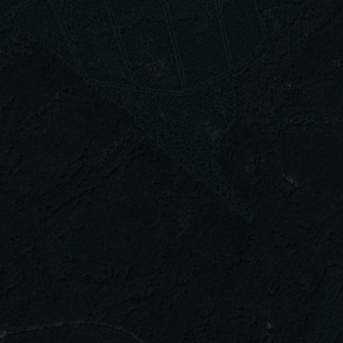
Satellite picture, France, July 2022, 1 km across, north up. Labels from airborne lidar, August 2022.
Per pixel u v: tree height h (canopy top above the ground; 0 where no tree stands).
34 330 12
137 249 26
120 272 22
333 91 22
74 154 26
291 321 27
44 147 26
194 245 20
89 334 15
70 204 22
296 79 14
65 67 18
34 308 24
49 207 26
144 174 25
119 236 26
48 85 24
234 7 28
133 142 20
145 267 25
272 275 22
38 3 30
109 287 27
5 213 25
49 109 25
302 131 24
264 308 25
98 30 27
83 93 26
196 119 20
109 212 24
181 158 32
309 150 24
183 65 28
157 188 22
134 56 29
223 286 27
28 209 24
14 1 30
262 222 23
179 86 27
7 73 24
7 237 22
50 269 27
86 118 28
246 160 22
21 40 11
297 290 13
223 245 26
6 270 18
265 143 22
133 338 13
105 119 23
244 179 23
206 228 21
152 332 28
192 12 23
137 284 30
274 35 15
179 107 28
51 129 27
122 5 29
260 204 20
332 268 28
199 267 26
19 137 25
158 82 25
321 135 25
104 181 24
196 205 20
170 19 28
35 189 23
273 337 23
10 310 21
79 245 25
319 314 22
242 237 26
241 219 25
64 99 25
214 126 25
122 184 25
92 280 23
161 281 24
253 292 24
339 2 21
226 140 26
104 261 21
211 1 25
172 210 18
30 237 23
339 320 10
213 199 20
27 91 25
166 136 31
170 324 30
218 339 28
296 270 20
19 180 24
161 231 19
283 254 25
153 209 23
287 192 11
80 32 25
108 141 22
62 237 22
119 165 17
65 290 25
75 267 24
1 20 30
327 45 22
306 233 25
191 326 28
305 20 19
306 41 15
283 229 20
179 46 23
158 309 24
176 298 24
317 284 19
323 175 23
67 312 22
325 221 27
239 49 28
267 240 28
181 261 23
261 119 23
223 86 26
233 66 25
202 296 28
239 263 26
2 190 25
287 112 24
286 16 24
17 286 22
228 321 27
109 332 13
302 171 27
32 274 24
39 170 25
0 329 17
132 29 27
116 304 26
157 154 15
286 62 21
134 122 20
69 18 22
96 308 22
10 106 25
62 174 11
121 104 26
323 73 19
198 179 9
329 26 23
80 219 22
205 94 26
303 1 18
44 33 27
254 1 27
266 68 21
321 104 23
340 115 25
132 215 25
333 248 25
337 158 25
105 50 28
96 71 26
